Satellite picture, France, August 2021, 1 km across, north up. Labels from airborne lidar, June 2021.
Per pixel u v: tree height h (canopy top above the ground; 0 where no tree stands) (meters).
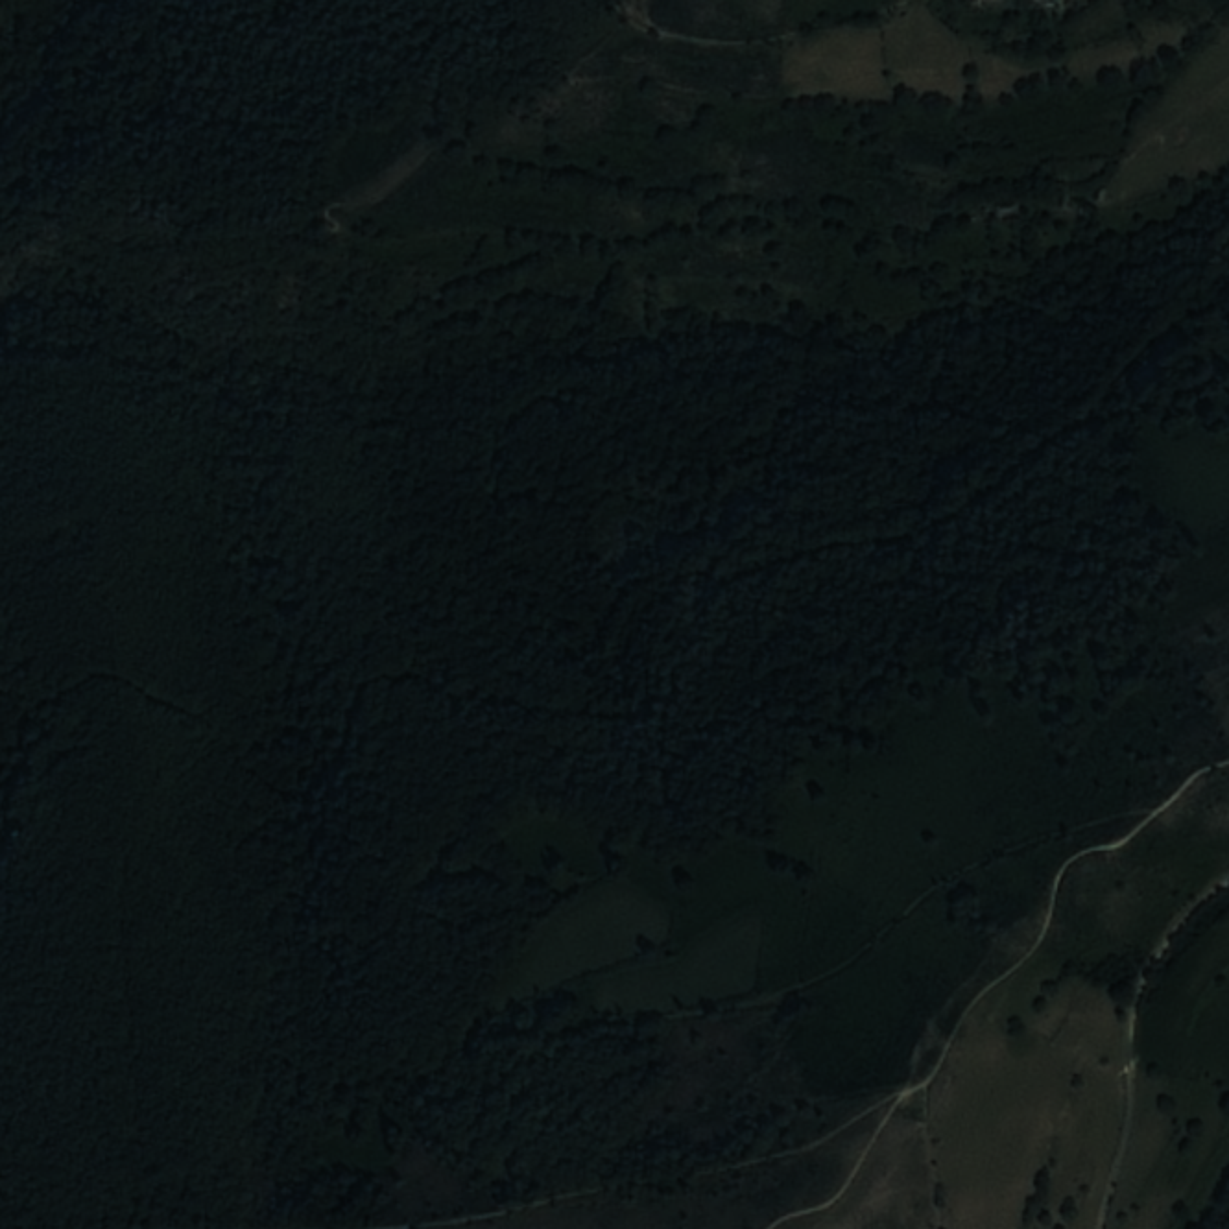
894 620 18
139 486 16
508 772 26
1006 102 12
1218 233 16
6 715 13
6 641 21
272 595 33
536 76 14
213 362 19
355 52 18
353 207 0
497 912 21
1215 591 0
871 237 8
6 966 27
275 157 19
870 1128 0
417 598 22
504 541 33
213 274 14
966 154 10
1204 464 0
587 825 17
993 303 17
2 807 7
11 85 26
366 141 0
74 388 17
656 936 0
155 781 20
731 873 0
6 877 22
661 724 25
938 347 23
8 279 8
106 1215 16
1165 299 23
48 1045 29
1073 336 13
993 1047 0
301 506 18
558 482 18
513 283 17
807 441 17
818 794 13
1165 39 0
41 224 9
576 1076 16
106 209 14
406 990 31
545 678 31
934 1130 0
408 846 24
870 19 12
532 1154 18
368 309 14
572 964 0
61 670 22
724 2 0
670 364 26
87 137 24
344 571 24
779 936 0
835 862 0
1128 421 9
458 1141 18
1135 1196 0
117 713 22
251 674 27
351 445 23
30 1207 25
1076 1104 0
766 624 19
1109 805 0
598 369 28
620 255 14
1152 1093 0
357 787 34
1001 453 16
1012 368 15
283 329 18
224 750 23
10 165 27
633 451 25
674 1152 15
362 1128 13
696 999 0
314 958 32
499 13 22
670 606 16
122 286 21
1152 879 0
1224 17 15
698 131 17
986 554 20
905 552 22
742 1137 11
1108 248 21
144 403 19
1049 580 20
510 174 16
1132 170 0
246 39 26
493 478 19
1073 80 9
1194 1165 0
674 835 24
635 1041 9
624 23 10
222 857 22
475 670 31
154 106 16
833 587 17
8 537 20
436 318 18
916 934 0
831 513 21
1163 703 0
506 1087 17
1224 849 0
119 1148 23
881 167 6
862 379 27
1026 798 0
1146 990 8
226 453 19
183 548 23
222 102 29
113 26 29
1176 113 0
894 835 0
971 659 14
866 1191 0
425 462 21
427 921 25
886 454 24
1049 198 13
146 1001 20
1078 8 6
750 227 17
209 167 24
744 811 23
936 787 0
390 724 25
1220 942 0
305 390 21
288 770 22
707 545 24
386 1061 25
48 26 26
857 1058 0
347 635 28
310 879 28
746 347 21
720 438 19
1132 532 13
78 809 24
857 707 18
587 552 10
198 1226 18
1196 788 0
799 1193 0
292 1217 18
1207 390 10
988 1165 0
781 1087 0
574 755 21
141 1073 21
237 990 21
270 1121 16
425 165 0
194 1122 19
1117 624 14
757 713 19
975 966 0
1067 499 17
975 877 0
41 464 18
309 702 27
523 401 25
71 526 15
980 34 6
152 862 19
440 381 25
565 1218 0
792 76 0
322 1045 27
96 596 20
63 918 25
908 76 0
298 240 11
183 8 18
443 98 22
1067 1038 0
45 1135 26
